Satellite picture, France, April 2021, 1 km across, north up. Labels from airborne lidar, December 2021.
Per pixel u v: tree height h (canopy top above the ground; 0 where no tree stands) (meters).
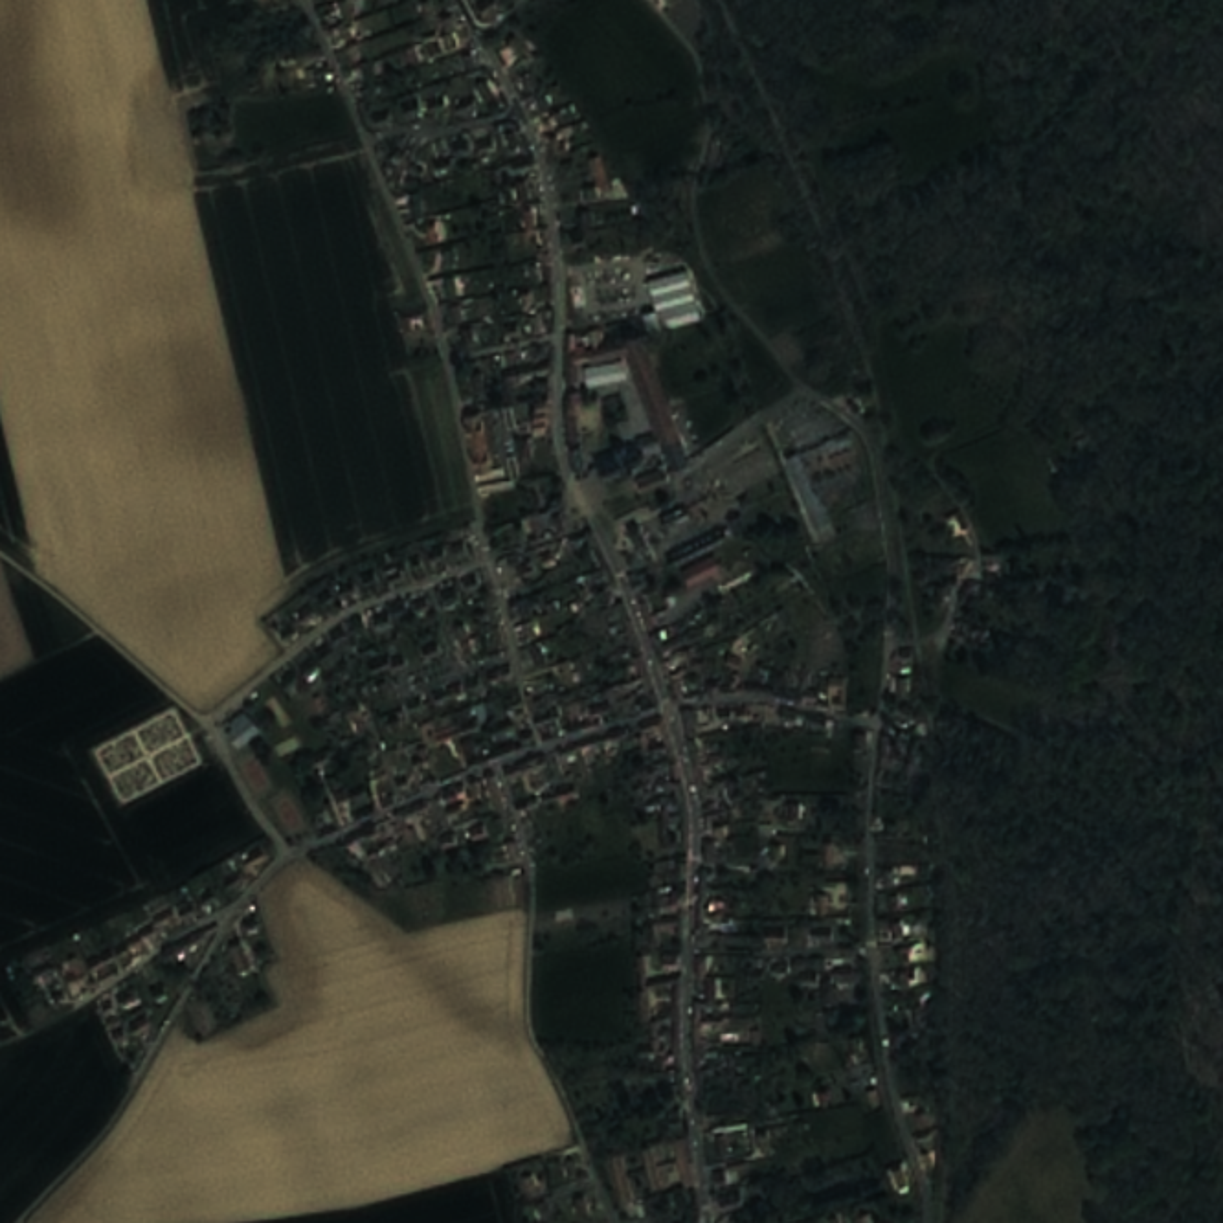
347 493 0
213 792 0
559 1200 0
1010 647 9
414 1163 0
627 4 0
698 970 0
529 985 0
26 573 0
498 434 0
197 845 0
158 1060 0
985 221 26
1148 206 12
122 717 0
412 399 0
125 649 0
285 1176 0
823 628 0
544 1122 0
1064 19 12
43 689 0
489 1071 0
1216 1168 24
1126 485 28
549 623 0
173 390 0
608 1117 6
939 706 14
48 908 0
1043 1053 26
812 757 0
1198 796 12
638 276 0
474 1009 0
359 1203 0
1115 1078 18
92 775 0
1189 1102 26
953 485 11
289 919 0
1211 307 24
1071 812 14
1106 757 21
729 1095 6
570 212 0
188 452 0
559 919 0
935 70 0
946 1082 17
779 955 0
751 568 0
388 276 0
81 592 0
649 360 0
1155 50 8
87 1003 0
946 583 10
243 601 0
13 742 0
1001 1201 0
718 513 0
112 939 0
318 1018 0
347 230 0
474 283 0
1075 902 23
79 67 0
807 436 0
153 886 0
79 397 0
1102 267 27
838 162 17
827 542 0
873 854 0
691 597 0
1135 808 17
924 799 21
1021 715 0
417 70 8
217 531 0
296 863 0
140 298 0
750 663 0
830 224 20
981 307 17
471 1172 0
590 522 0
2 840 0
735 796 0
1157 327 29
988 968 21
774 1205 12
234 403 0
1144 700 6
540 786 0
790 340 0
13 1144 0
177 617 0
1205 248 10
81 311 0
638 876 0
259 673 0
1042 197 25
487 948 0
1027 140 18
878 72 21
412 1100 0
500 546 9
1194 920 20
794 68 9
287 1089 0
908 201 23
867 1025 7
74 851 0
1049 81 30
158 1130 0
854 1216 8
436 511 0
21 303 0
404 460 0
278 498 0
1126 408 21
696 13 0
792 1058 6
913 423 0
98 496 0
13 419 0
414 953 0
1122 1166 25
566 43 0
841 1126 0
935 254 21
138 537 0
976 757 23
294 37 12
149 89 0
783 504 0
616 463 0
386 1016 0
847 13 20
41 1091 0
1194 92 24
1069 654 27
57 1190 0
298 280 0
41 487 0
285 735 0
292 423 0
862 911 0
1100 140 24
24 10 0
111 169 0
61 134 0
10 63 0
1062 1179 0
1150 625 28
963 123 0
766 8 23
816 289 0
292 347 0
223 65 0
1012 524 0
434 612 9
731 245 0
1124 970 31
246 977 0
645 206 18
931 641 0
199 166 0
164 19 0
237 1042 0
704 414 0
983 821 21
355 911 0
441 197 0
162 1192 0
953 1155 17
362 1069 0
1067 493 22
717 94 11
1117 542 25
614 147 0
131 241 0
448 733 0
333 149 0
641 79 0
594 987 0
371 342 0
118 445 0
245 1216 0
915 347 7
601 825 0
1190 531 32
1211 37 25
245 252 0
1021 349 21
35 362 0
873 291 18
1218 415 30
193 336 0
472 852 12
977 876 25
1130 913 9
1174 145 22
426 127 0
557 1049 9
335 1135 0
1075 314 31
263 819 0
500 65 0
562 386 0
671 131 0
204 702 0
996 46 24
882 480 0
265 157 12
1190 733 0
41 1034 0
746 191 0
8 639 0
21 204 0
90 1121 0
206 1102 0
